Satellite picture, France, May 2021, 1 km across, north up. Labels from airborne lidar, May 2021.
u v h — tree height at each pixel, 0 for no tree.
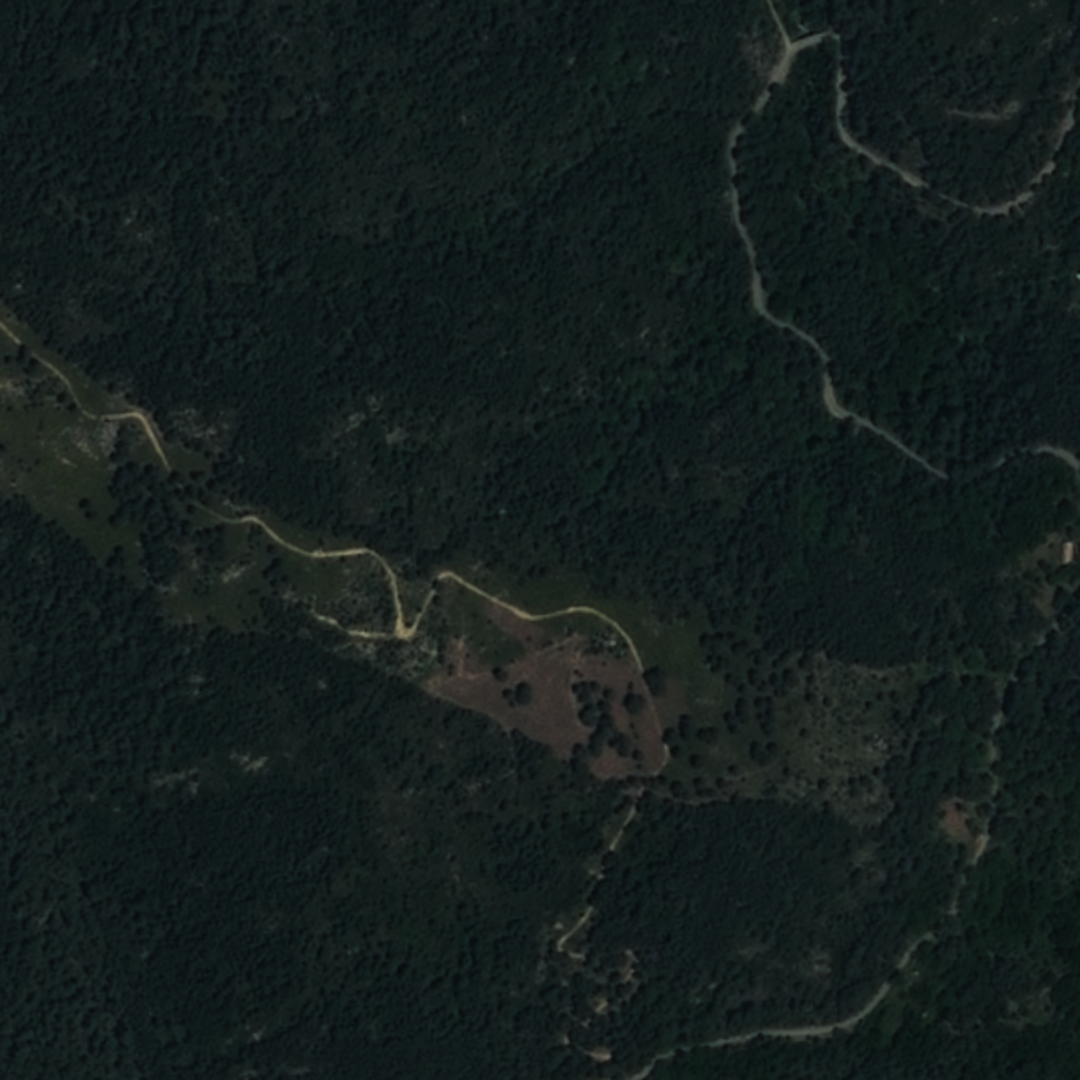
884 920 21
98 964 29
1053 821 15
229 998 11
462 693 0
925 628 18
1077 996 15
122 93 13
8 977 18
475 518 9
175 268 16
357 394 12
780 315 14
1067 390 14
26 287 13
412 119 13
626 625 0
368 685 9
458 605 0
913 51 19
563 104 8
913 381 22
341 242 22
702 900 17
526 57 16
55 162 14
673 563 12
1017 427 16
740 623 16
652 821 13
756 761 11
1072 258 28
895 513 15
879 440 14
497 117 12
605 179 16
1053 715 23
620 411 19
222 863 13
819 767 0
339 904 6
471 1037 20
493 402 16
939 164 19
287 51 16
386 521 13
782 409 24
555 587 0
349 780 8
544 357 8
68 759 8
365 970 17
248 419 14
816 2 18
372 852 7
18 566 7
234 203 9
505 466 14
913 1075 18
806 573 20
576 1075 23
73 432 0
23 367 16
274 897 13
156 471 17
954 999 20
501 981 12
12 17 10
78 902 25
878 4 19
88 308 14
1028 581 11
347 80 12
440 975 9
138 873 10
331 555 0
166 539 13
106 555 0
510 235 15
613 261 15
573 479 21
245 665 11
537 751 15
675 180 20
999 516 21
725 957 13
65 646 23
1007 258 12
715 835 13
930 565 16
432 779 16
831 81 13
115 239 10
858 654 17
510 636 0
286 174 14
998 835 20
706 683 0
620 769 0
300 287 25
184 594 0
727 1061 13
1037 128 21
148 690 11
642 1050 19
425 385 15
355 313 18
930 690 18
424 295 16
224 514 0
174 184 9
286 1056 18
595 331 11
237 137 16
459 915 12
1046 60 9
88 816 7
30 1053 21
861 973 20
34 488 0
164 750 16
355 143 12
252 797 11
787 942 13
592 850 8
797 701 0
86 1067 20
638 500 11
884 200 20
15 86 15
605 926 21
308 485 14
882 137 21
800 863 15
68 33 17
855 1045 16
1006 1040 18
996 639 25
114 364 14
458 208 11
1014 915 13
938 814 22
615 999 14
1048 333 9
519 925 16
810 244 22
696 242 6
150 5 17
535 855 14
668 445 19
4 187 11
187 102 19
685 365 20
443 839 7
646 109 18
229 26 11
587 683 10
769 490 15
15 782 28
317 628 7
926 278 25
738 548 17
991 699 26
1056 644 25
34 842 27
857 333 16
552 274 16
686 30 20
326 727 11
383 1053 19
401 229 16
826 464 15
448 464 6
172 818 16
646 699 11
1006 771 16
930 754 21
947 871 23
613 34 15
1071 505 15
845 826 7
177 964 14
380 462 17
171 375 13
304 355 16
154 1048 17
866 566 16
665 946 22
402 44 16
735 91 18
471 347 13
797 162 16
